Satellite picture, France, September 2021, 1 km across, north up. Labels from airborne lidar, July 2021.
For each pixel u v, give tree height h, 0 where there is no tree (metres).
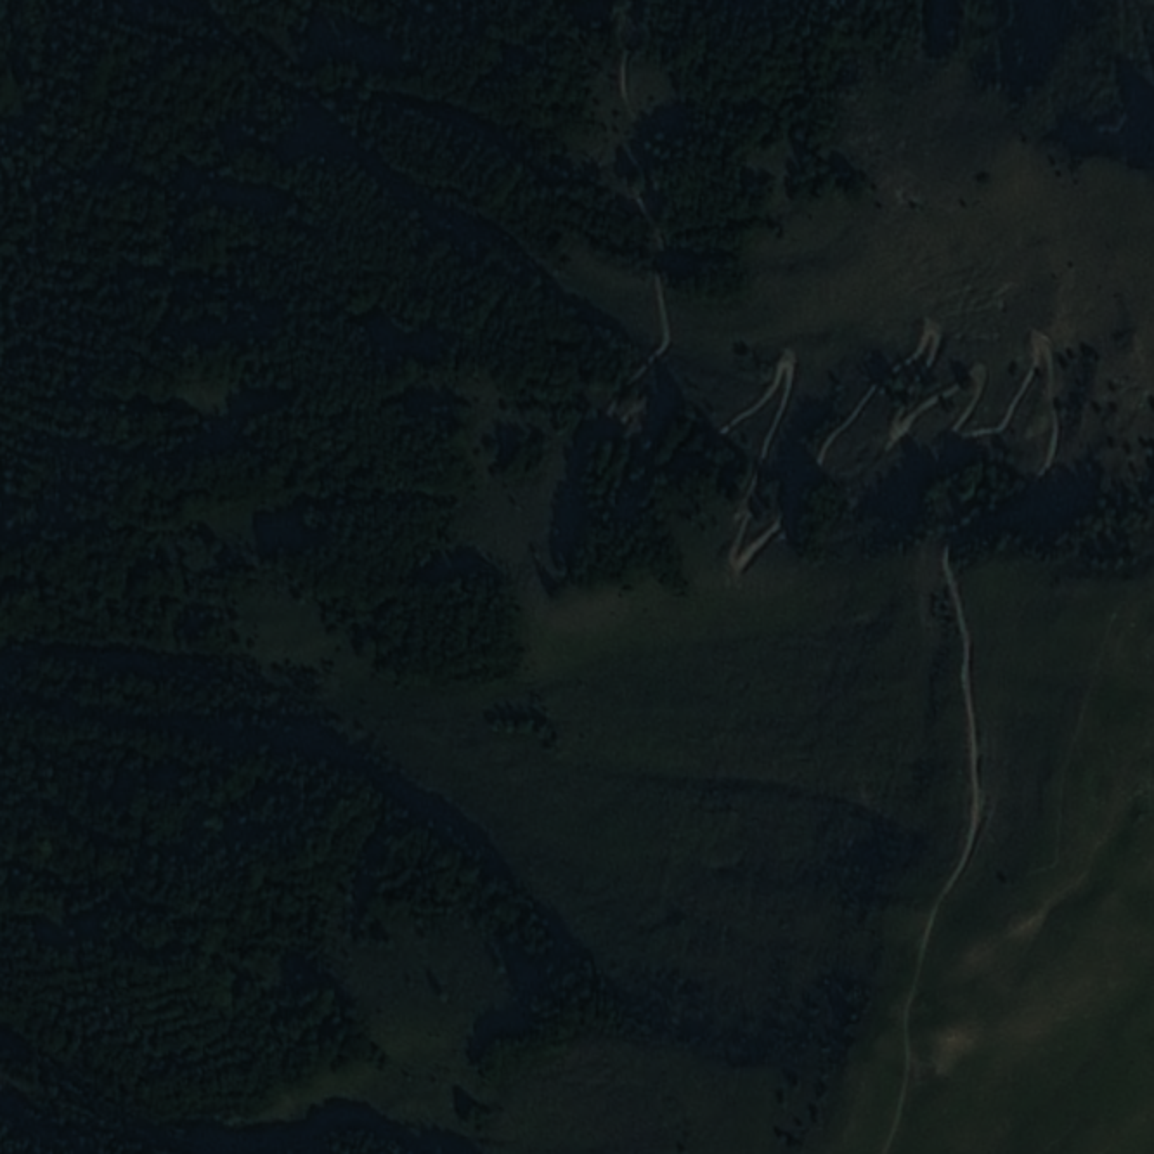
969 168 0
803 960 0
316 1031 16
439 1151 10
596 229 14
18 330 23
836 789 0
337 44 9
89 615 7
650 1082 0
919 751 0
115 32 24
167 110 16
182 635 7
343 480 23
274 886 11
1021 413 0
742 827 0
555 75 22
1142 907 0
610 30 20
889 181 0
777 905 0
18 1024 11
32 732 22
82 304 27
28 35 24
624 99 0
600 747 0
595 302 0
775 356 0
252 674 8
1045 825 0
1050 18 0
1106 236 0
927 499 6
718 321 0
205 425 10
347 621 12
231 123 6
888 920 0
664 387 0
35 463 24
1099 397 0
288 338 28
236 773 27
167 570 17
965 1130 0
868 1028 0
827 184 15
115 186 27
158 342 9
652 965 0
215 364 22
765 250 0
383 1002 0
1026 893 0
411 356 11
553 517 0
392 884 14
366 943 9
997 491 6
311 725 0
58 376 22
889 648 0
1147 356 0
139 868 20
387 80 22
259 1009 17
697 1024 0
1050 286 0
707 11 23
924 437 0
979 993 0
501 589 19
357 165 11
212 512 20
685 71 18
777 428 0
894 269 0
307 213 21
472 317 20
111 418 24
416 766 0
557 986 18
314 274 28
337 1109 0
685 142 18
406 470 23
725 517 0
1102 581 0
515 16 20
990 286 0
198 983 21
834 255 0
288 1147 13
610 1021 8
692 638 0
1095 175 0
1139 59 0
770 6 29
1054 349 0
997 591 0
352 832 19
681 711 0
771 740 0
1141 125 0
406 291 22
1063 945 0
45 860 10
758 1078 0
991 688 0
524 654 10
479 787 0
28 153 18
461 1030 0
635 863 0
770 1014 0
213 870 31
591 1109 0
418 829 22
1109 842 0
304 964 8
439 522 9
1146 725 0
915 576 0
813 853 0
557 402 9
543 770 0
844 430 0
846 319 0
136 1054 27
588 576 16
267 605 0
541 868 0
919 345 0
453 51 23
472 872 22
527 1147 0
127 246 18
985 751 0
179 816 21
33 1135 26
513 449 9
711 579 0
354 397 24
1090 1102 0
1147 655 0
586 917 0
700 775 0
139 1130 7
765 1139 0
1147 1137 0
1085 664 0
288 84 8
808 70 20
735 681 0
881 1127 0
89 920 9
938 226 0
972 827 0
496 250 18
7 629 7
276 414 25
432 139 24
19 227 20
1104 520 6
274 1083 17
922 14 8
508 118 28
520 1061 16
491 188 20
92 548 25
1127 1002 0
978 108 0
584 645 0
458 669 16
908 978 0
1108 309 0
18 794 26
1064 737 0
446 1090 0
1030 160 0
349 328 25
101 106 13
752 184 16
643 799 0
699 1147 0
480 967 0
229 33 8
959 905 0
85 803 15
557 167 8
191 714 17
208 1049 20
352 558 26
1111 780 0
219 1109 7
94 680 22
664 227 20
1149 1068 0
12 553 24
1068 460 0
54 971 22
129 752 17
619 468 18
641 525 15
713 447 16
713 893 0
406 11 18
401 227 22
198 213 27
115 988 21
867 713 0
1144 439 0
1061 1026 0
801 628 0
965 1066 0
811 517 20
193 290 17
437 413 14
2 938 19
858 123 0
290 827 25
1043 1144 0
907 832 0
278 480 26
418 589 23
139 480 27
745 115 14
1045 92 0
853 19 13
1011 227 0
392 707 0
